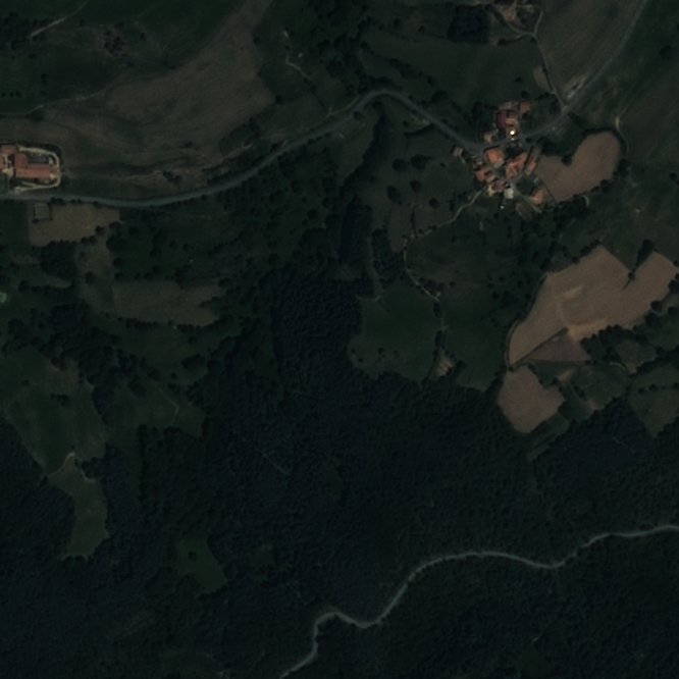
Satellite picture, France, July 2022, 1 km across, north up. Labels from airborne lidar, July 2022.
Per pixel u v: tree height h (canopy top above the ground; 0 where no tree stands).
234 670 20
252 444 14
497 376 9
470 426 8
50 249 16
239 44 0
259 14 0
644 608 28
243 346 29
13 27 11
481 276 0
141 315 0
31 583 22
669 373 0
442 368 0
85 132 0
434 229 9
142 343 0
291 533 20
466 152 9
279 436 18
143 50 0
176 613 17
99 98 0
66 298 23
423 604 20
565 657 17
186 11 0
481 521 16
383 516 15
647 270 0
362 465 32
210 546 17
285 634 16
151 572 21
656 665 24
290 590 28
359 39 7
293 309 28
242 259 11
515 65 0
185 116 0
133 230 12
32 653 18
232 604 17
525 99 10
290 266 19
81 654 24
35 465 14
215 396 29
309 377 14
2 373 0
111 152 0
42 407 0
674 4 0
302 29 0
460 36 22
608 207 0
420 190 14
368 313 0
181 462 9
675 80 0
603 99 0
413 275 0
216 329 17
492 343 0
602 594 38
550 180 0
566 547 14
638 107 0
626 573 16
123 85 0
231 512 17
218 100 0
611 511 10
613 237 0
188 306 0
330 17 16
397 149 0
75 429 0
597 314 0
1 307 0
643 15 0
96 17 0
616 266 0
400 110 0
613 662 26
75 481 0
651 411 0
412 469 23
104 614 20
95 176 0
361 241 17
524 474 12
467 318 0
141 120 0
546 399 0
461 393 9
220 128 0
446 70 0
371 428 15
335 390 20
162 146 0
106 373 18
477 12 11
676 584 14
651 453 11
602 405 0
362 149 0
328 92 0
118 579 17
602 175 0
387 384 17
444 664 22
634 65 0
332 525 22
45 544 14
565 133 0
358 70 12
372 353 0
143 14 0
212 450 12
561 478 20
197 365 17
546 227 0
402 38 0
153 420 0
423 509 15
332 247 0
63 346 16
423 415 9
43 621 27
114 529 17
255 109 0
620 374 0
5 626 22
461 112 8
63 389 0
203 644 20
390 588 9
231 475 14
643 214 0
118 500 21
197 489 28
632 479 9
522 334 0
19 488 21
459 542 12
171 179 11
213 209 0
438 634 28
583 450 22
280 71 0
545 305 0
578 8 0
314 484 31
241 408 24
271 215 7
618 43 0
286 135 0
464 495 15
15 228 0
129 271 0
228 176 12
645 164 0
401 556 7
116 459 24
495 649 33
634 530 7
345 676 30
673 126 0
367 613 12
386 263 13
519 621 19
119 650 17
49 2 0
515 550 12
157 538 23
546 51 0
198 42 0
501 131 8
